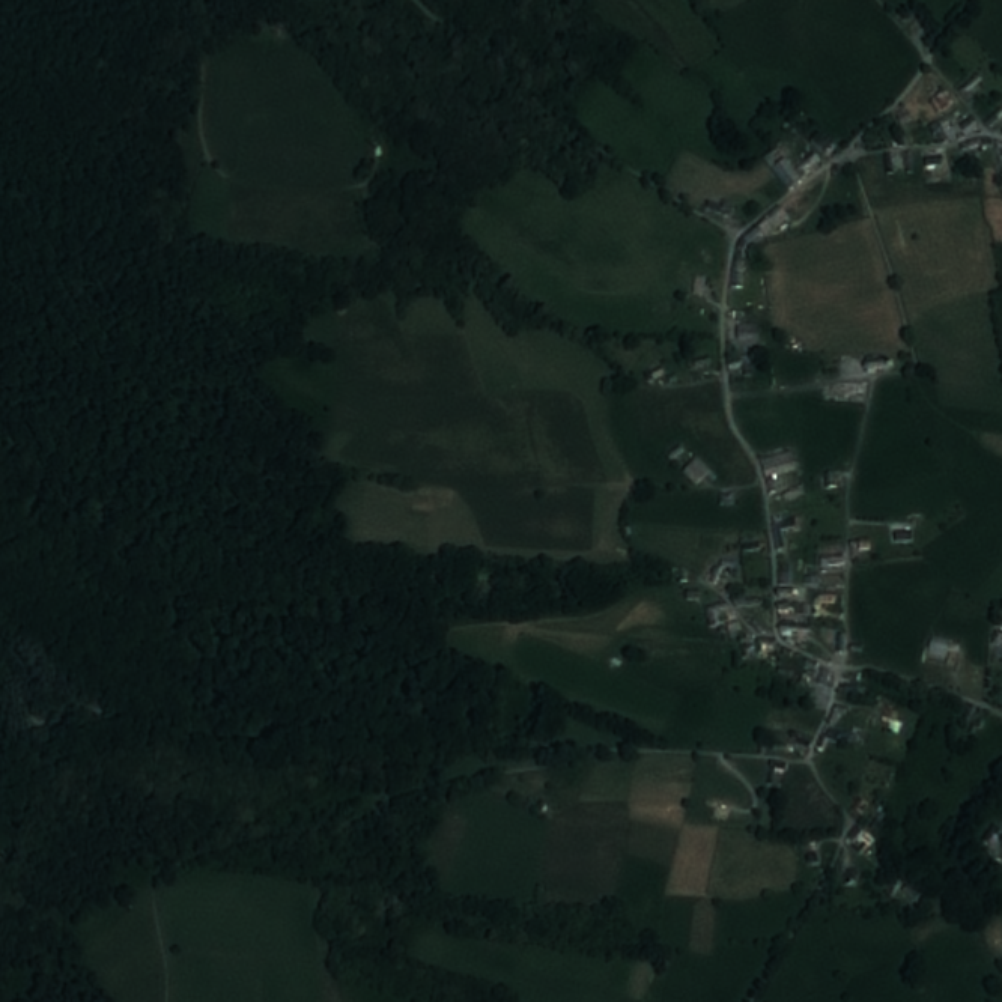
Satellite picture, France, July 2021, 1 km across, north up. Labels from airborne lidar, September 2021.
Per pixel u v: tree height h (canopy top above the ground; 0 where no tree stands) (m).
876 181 0
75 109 23
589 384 0
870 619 0
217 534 29
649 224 0
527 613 23
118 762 18
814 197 0
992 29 0
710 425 0
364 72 22
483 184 16
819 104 0
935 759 0
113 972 0
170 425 19
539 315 22
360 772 14
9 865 22
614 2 0
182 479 28
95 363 26
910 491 0
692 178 0
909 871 24
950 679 0
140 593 35
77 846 18
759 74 0
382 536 0
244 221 0
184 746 22
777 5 0
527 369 0
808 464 0
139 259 20
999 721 0
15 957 14
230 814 15
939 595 0
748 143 15
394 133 14
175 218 13
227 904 0
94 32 26
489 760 14
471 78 23
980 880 25
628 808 0
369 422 0
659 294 0
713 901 7
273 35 0
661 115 0
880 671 12
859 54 0
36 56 26
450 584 24
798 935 14
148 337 17
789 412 0
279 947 0
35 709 20
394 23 20
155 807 16
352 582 28
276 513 24
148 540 21
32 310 21
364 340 0
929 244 0
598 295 0
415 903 18
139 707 30
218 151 0
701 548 0
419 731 28
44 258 21
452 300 16
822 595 0
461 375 0
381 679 30
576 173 21
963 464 0
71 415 29
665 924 0
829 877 10
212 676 29
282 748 25
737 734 0
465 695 35
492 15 21
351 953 24
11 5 27
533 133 22
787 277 0
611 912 16
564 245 0
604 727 14
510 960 0
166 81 16
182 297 18
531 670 0
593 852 0
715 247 0
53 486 28
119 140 18
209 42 17
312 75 0
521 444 0
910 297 0
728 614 0
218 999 0
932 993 0
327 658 27
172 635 35
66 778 19
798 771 0
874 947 0
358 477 13
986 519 0
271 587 22
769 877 0
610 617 0
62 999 13
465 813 0
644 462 0
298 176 0
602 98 0
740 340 0
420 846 14
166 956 0
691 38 0
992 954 0
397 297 7
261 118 0
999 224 0
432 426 0
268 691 28
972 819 22
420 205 20
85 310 21
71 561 28
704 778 0
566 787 0
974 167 27
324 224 0
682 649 0
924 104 0
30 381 24
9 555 34
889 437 0
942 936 0
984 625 0
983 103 6
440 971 21
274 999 0
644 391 0
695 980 0
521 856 0
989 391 0
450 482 0
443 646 23
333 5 24
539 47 18
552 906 8
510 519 0
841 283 0
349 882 11
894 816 8
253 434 21
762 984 19
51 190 27
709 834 0
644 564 16
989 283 0
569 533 0
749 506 0
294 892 0
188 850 11
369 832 14
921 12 18
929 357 0
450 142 22
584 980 0
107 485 23
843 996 10
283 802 12
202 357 10
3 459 32
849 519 0
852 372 0
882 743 0
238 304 10
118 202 18
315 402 0
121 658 29
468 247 19
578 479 0
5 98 19
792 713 0
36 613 29
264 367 14
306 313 12
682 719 0
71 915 9
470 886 0
